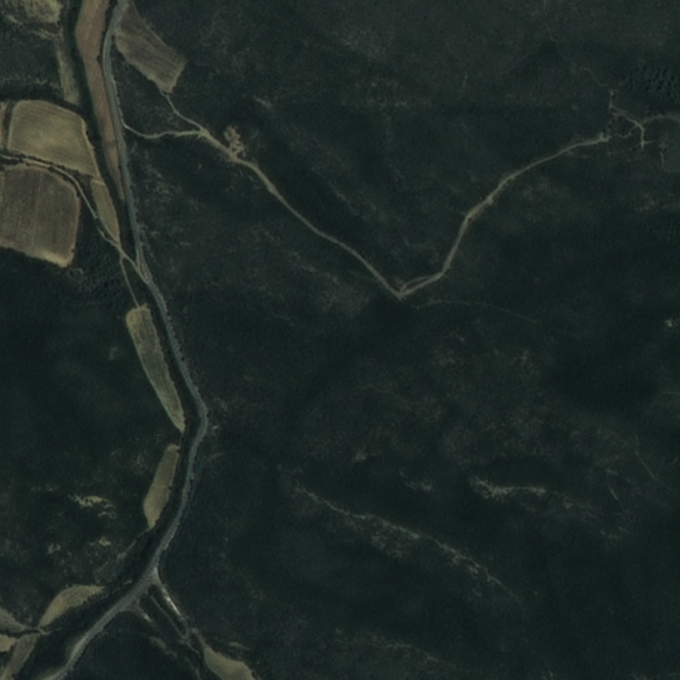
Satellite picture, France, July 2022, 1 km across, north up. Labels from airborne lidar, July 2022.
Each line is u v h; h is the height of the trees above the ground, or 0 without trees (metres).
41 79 8
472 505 6
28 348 6
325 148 0
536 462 7
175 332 6
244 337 6
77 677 6
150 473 10
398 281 0
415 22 0
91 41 0
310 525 8
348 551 6
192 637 9
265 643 6
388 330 6
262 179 0
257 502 8
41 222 0
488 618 7
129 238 8
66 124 0
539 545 8
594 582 6
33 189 0
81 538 7
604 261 5
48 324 6
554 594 8
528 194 0
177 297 7
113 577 6
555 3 0
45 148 0
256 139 0
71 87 0
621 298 6
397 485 6
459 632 6
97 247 12
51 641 6
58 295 12
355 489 6
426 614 7
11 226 0
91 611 7
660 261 6
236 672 0
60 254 0
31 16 0
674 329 6
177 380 8
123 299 13
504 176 0
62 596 0
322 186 6
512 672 6
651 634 6
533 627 7
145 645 6
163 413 7
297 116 5
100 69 0
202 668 12
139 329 0
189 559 5
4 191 0
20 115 0
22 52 0
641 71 9
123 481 7
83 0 0
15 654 0
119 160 0
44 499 7
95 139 8
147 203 0
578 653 6
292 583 6
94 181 0
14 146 0
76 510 7
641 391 6
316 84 6
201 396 6
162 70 0
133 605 0
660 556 5
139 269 0
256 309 6
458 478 7
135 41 0
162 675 7
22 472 6
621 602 6
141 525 7
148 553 10
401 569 7
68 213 0
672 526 7
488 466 6
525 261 6
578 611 6
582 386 5
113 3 9
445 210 0
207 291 7
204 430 0
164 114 0
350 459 7
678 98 13
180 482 7
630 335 6
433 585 6
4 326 5
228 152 0
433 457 6
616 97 8
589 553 6
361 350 5
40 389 6
